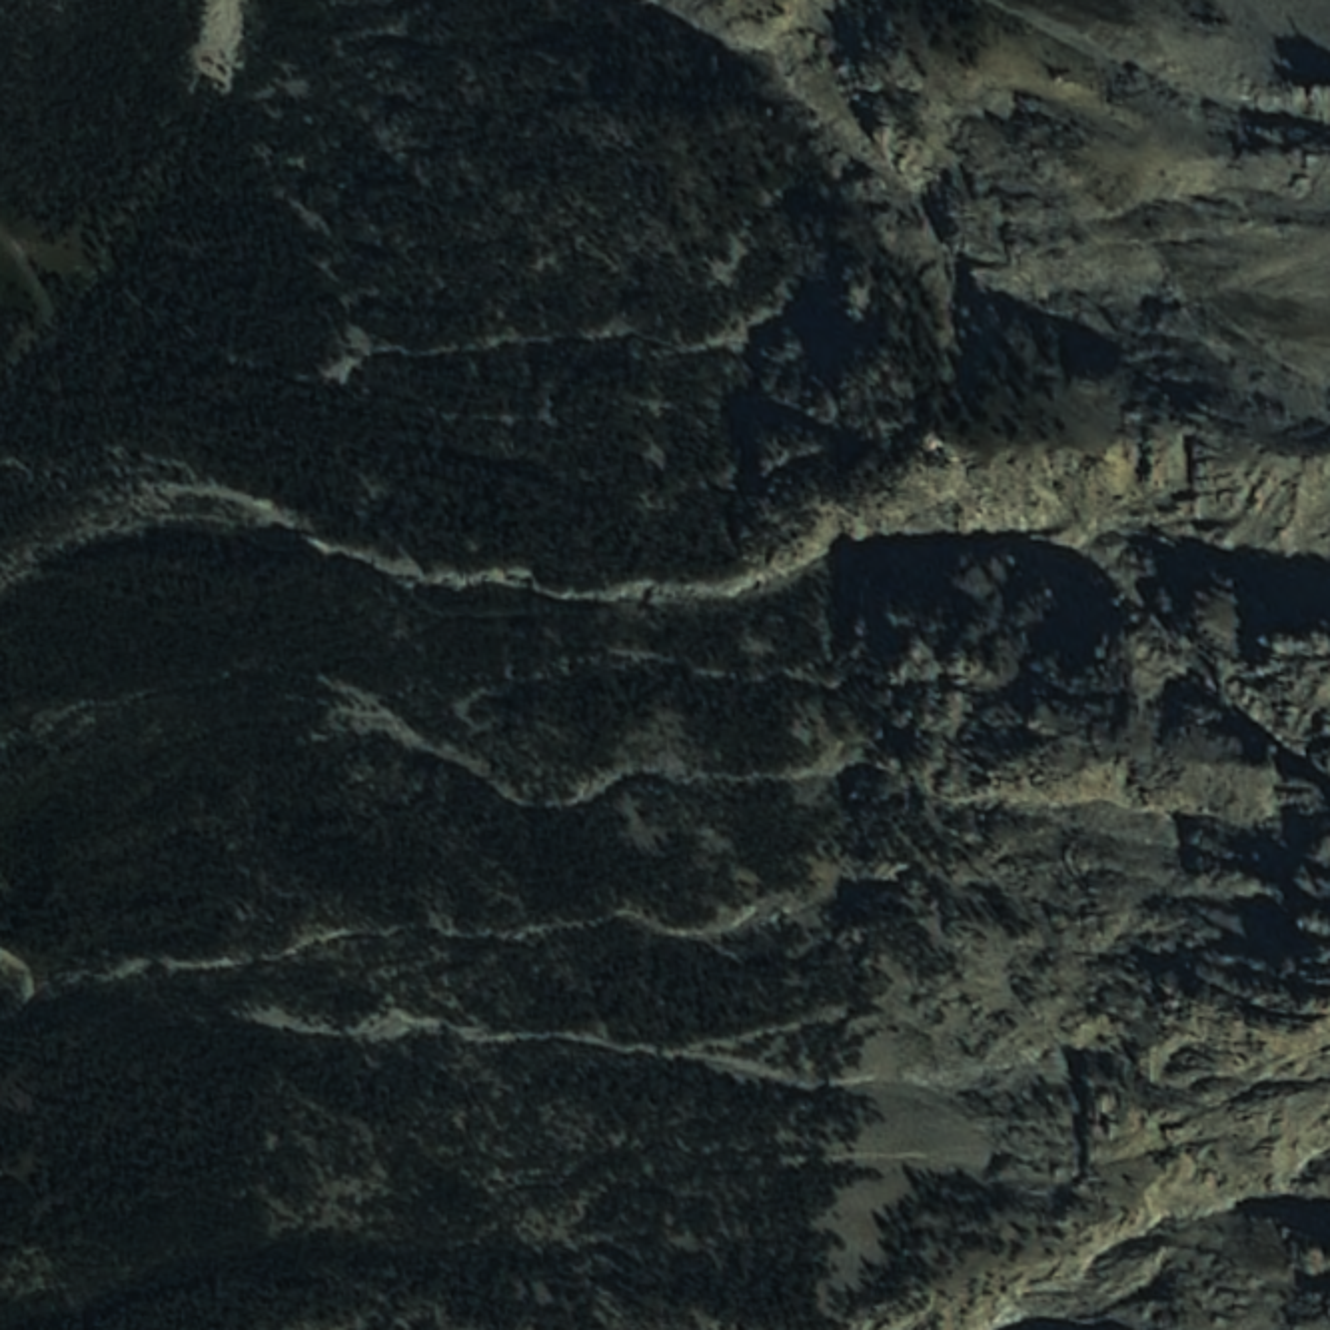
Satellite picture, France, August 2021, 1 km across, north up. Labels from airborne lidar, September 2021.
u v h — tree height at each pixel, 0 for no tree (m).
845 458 12
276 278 6
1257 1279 0
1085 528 0
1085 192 0
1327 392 0
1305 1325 0
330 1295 7
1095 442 0
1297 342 0
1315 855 0
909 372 10
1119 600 0
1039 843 0
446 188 6
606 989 9
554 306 7
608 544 10
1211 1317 0
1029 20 0
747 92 8
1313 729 0
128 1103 10
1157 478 0
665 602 0
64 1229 8
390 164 8
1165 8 0
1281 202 0
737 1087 10
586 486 8
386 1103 8
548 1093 7
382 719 0
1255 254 0
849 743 0
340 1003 7
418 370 7
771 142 11
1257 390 0
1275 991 0
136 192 12
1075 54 0
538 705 8
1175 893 0
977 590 0
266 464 17
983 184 0
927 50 0
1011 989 0
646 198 7
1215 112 0
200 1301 9
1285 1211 0
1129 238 0
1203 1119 0
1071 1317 0
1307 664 0
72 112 9
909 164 0
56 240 11
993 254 0
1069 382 0
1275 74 0
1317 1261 0
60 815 7
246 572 9
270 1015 0
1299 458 0
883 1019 0
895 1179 0
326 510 10
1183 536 0
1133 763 0
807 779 0
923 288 9
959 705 0
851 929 7
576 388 7
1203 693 0
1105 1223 0
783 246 0
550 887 6
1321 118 0
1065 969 0
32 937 15
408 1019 0
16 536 7
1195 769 0
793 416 0
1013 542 0
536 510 10
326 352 7
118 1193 13
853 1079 0
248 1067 8
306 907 7
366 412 8
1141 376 0
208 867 6
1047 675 0
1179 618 0
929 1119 0
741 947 6
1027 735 0
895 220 0
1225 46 0
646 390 8
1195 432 0
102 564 10
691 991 13
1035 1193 0
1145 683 0
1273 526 0
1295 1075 0
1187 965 0
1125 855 0
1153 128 0
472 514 9
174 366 9
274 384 11
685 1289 6
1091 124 0
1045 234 0
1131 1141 0
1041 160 0
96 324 11
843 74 0
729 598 0
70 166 8
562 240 6
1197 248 0
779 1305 8
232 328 8
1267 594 0
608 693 14
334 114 6
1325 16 0
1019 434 11
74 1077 9
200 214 7
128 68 9
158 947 7
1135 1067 0
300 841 7
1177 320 0
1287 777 0
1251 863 0
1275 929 0
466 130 8
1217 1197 0
